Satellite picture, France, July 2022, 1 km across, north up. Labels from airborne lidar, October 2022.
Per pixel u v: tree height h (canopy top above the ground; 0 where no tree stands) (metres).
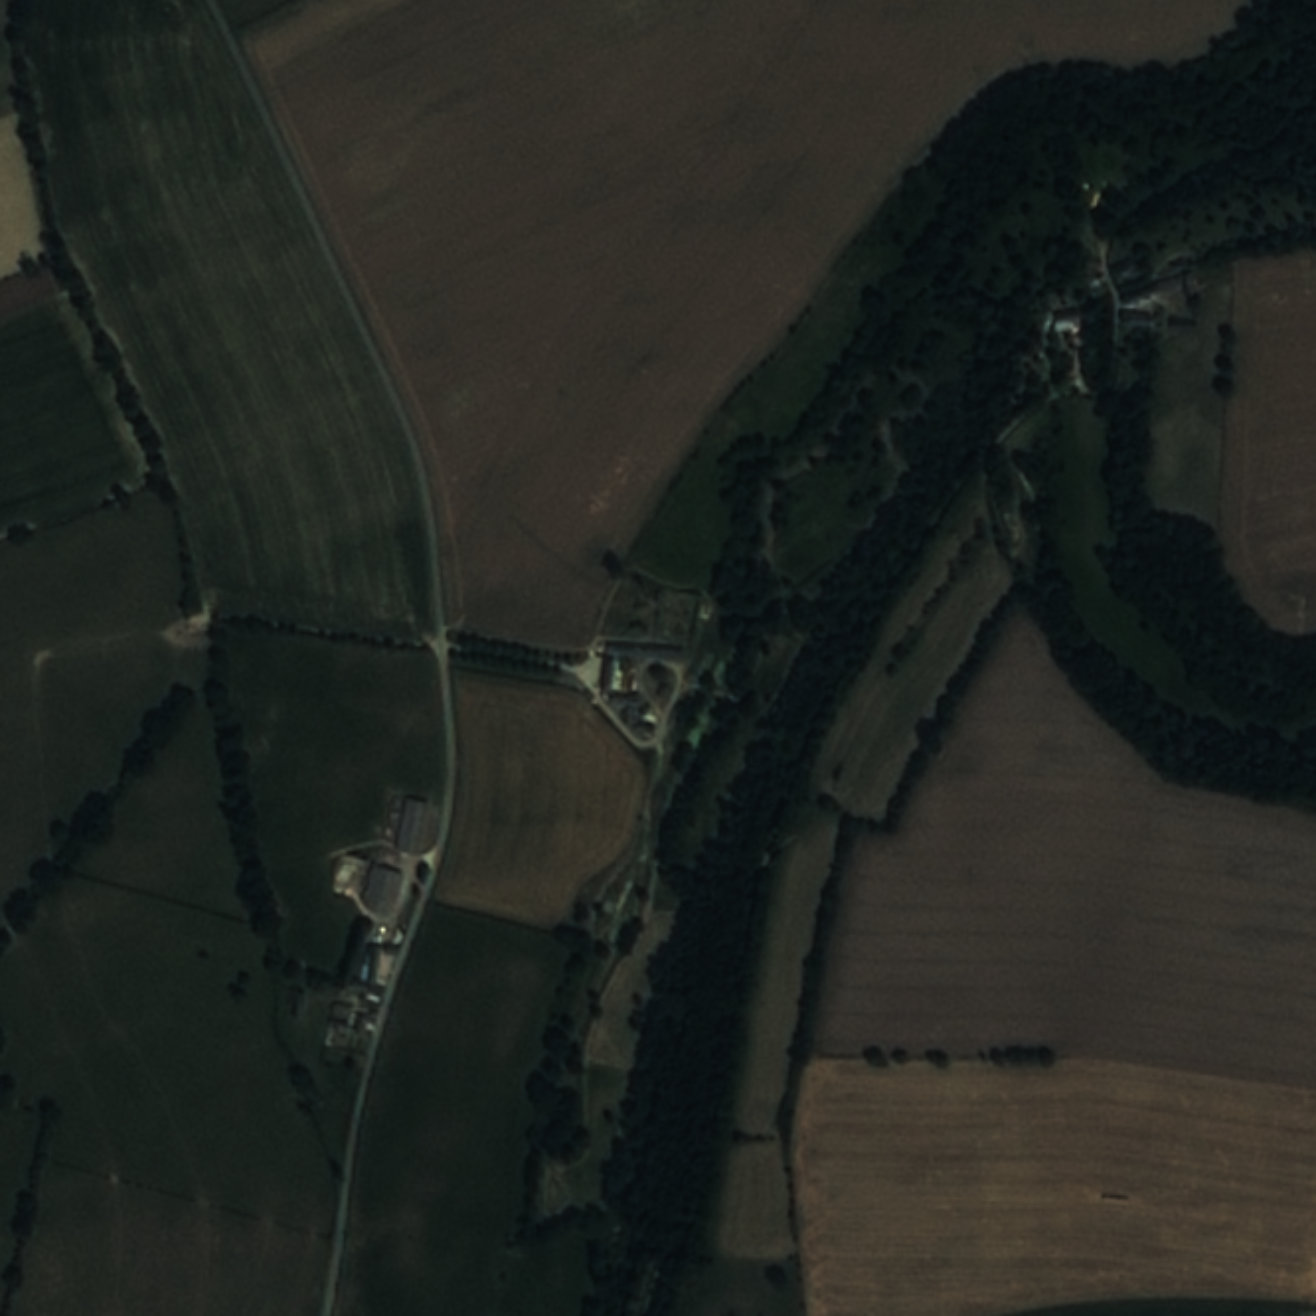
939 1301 0
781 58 0
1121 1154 0
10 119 0
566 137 0
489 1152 0
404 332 0
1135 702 24
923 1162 0
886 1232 0
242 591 0
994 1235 0
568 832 0
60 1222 0
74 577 0
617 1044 0
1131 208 14
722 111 0
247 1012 0
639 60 0
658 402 0
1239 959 0
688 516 0
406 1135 0
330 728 0
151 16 0
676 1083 11
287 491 0
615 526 0
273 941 10
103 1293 0
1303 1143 0
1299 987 0
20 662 0
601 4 0
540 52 0
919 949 0
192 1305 0
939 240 22
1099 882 0
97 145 0
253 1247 0
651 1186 19
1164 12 0
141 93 0
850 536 0
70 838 14
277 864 0
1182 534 15
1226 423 0
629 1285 9
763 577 17
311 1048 0
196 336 0
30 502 0
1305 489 0
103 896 0
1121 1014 0
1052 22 0
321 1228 0
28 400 0
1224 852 0
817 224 0
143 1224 0
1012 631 0
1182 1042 0
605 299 0
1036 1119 0
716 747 15
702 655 0
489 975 0
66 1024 0
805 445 10
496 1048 0
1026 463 11
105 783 0
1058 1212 0
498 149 0
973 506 0
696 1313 0
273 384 0
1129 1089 0
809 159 0
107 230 0
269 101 0
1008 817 0
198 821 0
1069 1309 0
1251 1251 0
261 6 0
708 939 20
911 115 0
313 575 0
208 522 0
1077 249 13
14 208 0
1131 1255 0
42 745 0
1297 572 0
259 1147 0
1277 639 13
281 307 0
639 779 0
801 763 13
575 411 0
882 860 0
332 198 0
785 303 0
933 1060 10
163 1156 0
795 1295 0
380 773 0
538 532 0
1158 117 9
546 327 0
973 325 15
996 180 19
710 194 0
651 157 0
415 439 0
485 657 11
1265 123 17
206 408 0
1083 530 0
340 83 0
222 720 8
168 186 0
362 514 0
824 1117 0
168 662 0
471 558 0
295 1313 0
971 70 0
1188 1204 0
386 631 0
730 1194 0
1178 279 5
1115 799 0
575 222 0
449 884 0
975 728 0
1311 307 0
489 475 0
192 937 0
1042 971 0
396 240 0
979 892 0
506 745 0
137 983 0
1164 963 0
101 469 0
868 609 14
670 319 0
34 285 0
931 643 0
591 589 0
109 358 18
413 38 0
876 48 0
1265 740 22
